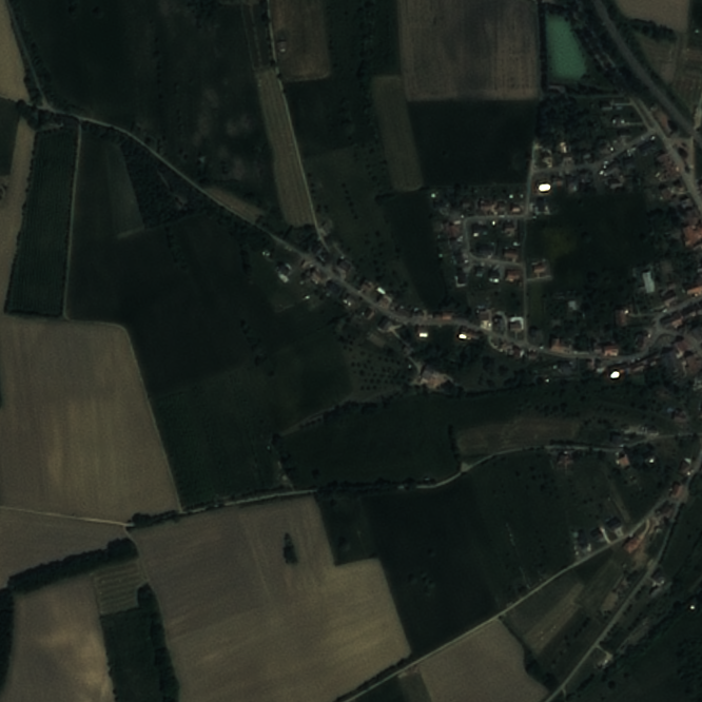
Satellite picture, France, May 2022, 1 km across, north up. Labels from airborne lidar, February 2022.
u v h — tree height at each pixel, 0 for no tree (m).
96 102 0
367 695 0
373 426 0
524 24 0
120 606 0
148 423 0
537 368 0
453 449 9
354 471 0
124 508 0
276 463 0
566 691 0
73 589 0
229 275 0
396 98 0
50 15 0
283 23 0
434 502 0
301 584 0
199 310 0
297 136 0
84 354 0
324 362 0
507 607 0
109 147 0
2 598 12
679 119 0
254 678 0
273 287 0
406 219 0
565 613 0
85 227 0
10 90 0
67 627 0
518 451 0
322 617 0
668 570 0
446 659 0
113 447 0
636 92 29
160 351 0
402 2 0
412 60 0
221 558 0
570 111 16
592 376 7
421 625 0
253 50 0
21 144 0
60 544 0
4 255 0
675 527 8
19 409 0
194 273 0
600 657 0
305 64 0
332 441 0
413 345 12
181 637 0
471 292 0
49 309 0
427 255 0
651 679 0
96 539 0
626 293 9
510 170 0
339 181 0
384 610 0
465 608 0
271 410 0
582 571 0
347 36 0
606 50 25
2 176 0
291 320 0
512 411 0
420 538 0
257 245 6
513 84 0
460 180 0
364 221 0
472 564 0
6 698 0
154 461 0
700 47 0
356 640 0
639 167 0
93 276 0
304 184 0
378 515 0
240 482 0
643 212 0
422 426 0
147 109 0
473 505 0
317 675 0
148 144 9
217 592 0
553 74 0
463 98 0
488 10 0
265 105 0
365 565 0
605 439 0
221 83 0
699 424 0
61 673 0
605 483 0
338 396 0
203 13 10
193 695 0
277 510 0
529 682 0
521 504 0
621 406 0
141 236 0
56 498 0
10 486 0
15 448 0
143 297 0
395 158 0
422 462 0
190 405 0
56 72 0
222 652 0
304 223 0
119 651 0
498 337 0
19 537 0
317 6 0
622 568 0
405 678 0
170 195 18
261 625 0
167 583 0
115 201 0
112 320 0
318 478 10
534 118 0
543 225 0
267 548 0
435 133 0
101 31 0
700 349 0
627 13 0
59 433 0
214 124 0
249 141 0
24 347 0
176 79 0
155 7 0
